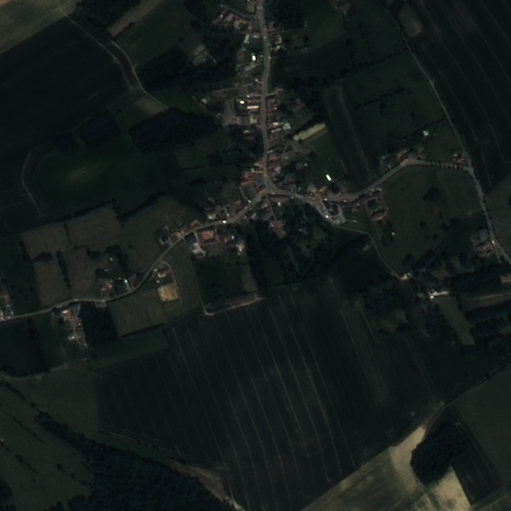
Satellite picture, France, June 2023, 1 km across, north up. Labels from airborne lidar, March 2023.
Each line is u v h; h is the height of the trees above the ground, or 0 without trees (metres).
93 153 0
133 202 0
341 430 0
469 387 0
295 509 0
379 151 0
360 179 0
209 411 0
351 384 0
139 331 6
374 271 0
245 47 0
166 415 0
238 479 0
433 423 0
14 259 0
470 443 0
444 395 0
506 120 0
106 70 0
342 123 0
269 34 0
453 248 0
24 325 0
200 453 0
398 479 0
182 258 0
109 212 0
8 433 0
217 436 0
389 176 0
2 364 0
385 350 0
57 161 0
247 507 0
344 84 0
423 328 0
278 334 0
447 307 0
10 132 0
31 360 0
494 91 0
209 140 0
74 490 0
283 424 0
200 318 0
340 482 0
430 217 0
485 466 0
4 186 0
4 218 0
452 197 0
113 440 0
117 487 24
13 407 0
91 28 0
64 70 0
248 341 0
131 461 26
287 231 10
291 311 0
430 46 0
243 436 0
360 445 0
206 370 0
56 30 0
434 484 0
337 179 0
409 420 0
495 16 0
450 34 0
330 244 6
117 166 0
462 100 0
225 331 0
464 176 0
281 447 0
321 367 0
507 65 0
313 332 0
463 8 0
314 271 17
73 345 0
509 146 0
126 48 0
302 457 0
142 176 0
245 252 0
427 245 0
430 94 0
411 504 0
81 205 0
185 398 0
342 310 0
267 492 0
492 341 15
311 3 0
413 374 0
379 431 0
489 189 0
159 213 0
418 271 16
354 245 18
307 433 0
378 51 0
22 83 0
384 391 0
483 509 0
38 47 0
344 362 0
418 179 0
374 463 0
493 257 0
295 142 0
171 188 0
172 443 0
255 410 0
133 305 0
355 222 0
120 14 8
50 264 0
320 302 0
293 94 0
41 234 0
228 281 0
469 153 0
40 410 0
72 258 0
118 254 10
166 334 7
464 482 0
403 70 0
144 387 0
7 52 0
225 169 0
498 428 0
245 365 0
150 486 29
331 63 0
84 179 0
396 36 0
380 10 0
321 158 0
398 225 0
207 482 0
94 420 0
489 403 0
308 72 0
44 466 0
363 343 0
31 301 0
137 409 0
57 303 0
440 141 0
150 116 0
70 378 0
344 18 7
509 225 0
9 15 0
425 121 0
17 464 0
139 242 0
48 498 0
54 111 0
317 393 0
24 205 0
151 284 0
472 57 0
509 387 0
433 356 0
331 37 0
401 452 0
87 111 0
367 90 0
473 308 0
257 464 0
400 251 0
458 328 0
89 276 0
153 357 0
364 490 0
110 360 0
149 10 0
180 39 6
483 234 0
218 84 0
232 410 0
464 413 0
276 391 0
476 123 0
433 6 0
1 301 0
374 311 17
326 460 0
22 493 0
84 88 0
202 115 0
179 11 0
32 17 0
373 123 0
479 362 0
